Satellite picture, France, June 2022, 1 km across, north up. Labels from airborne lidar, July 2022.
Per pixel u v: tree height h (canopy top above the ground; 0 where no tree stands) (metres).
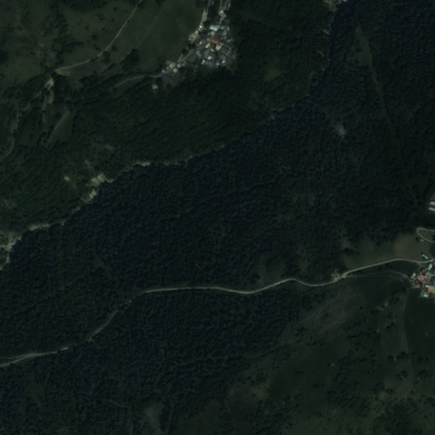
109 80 11
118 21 0
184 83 8
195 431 0
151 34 0
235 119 27
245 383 10
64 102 14
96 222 21
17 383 16
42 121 15
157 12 0
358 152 9
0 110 9
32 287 25
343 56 11
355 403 15
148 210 28
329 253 7
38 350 8
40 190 9
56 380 24
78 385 10
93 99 14
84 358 21
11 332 20
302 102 29
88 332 22
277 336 13
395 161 13
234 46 7
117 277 19
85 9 16
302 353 0
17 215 8
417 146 16
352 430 8
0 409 15
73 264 13
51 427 17
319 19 27
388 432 12
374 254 0
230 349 16
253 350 25
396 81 24
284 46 23
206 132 19
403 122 26
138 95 11
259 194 25
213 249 30
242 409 0
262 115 33
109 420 6
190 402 16
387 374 0
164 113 15
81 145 13
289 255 15
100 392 17
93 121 11
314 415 7
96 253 10
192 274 23
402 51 30
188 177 28
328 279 6
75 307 13
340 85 25
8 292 13
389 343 0
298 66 16
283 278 9
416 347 0
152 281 20
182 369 20
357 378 0
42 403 8
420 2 28
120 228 26
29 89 12
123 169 25
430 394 0
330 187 27
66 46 15
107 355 17
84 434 15
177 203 24
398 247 0
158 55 0
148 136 15
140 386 21
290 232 17
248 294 0
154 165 23
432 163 22
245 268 25
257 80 11
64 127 0
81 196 16
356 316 0
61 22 9
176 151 23
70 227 14
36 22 0
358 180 23
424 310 0
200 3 17
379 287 0
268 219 8
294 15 19
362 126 17
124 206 18
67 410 8
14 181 18
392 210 20
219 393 13
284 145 26
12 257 10
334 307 0
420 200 14
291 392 0
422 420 0
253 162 23
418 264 0
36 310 23
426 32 29
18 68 0
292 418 6
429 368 0
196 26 0
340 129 0
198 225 17
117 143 11
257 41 17
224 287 12
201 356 26
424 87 38
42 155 15
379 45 26
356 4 31
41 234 24
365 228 16
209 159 30
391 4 23
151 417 0
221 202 22
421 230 0
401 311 0
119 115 10
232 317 35
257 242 27
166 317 17
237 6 12
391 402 8
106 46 0
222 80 21
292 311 11
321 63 13
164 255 40
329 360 0
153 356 27
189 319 17
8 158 9
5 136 11
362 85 12
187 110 17
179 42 0
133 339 27
